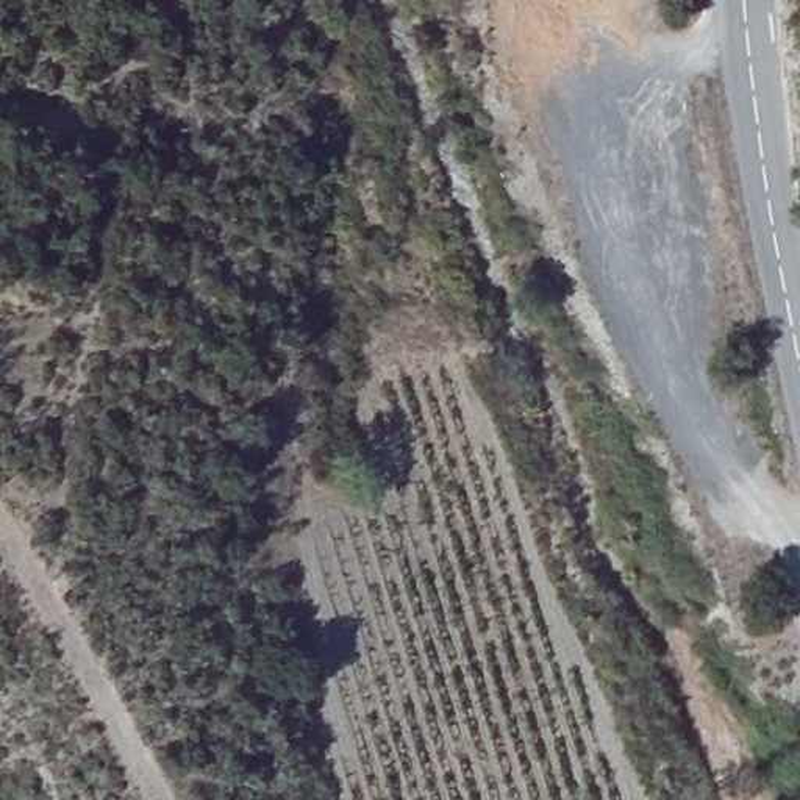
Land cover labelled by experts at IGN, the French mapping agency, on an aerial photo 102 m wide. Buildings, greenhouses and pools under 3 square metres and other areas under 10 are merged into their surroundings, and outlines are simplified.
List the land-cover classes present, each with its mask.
<instances>
[{"label":"brushwood","instance_id":"1","mask_svg":"<svg viewBox=\"0 0 800 800\"><path fill-rule=\"evenodd\" d=\"M338 56V41H328L309 22L306 0H0V291L22 281L28 288V297L34 303H44V316H63V325L50 334V341L38 344V356H50V363L44 366V381L53 388H66V378L56 372L59 366L75 369L81 334L72 328V322L78 313H88L91 306H100V313L106 316L113 344H122L125 338L172 341V347L131 350L122 359H113L100 350L78 403H59V413L47 422H19L16 406L22 400V384L9 381V369L25 356V347H13V328L0 331V500L6 503L13 519H22L34 528L31 544L38 547L44 566L56 569L59 575H69L66 603L81 609L84 634L91 638L94 653L106 656L109 675L116 678V688L141 738L156 753L178 800H341V781L334 775V763L328 759L334 734L322 716V706L325 681L356 659V631L363 619L334 616L322 622L316 616V603L306 597L303 588L297 541L300 531L309 528V519H294L291 509L300 500L303 475H316L319 481H325L331 475L334 456L363 453L366 466L375 469L378 484L388 491L409 484L413 441L403 413L388 409L375 413L372 422H359L356 413H334L331 403L341 375L338 366L328 359V334L338 325V319L334 294L325 284H319V256L338 253V238L331 225L341 188L331 184L325 175L347 169L353 122L338 97L322 94V78L328 75ZM328 9H344L347 16H356L359 22H372L378 28L384 56L391 63L394 91L400 97V106L409 113L413 125L425 116L406 59L394 47L391 22L397 9L384 6L381 0H325ZM469 381L488 406L497 434L509 453L522 506L528 509L544 569L613 706L616 734L650 800H703L684 784L669 781L666 775V759L675 756V744L681 738L669 725L675 713L653 669L669 663V650L650 653L638 628H631V647H625L613 631V609L619 606V600L616 594L597 588L594 578L584 575V569L575 563L569 538L572 516L553 500L578 481V453L569 444H553V403L538 406L534 384L525 375V363L513 359L500 344H491L488 353L475 356L466 366ZM22 588L0 569V800H141L138 784L128 781L125 766L119 763L109 744L106 725L88 706V697L78 688L75 672L63 663L59 631H50L41 622H28V613L19 600Z\"/></svg>","mask_w":800,"mask_h":800},{"label":"herbaceous vegetation","instance_id":"2","mask_svg":"<svg viewBox=\"0 0 800 800\"><path fill-rule=\"evenodd\" d=\"M384 6L397 9L391 22L394 47L406 59L425 116L413 125L409 113L400 106V97L394 91L391 63L384 56L378 28L372 22H359L356 16H347L344 9H328L325 0H306L309 22L328 41H338V56L328 75L322 78V94L338 97L353 122L347 169L325 175L331 184L341 188L331 225L338 238V253L319 256V284H325L334 294L338 319V325L328 334V359L338 366L341 375L331 403L334 413H356L359 391L372 372L363 350L369 344V328L384 319V313L400 306H419L422 316H441V322L450 325L453 344H500L513 359L525 363V375L534 384L538 406L553 403V444H569L578 453V481L553 500L572 516L569 538L575 563L584 569V575L594 578L597 588L616 594L619 600V606L613 609V631L625 647H631V628H638L650 653L669 650L666 634L672 628L691 634V647L700 656L703 672L709 675L716 694L731 706L734 719L744 725V738L753 756L713 769L706 744L700 741V731L688 709L681 675L669 663L653 669L675 713L669 725L681 738L675 744V756L666 759V775L669 781L684 784L703 800H800V616L772 634H747L744 628L741 584L750 581V575L763 563L772 559L775 550L744 538H725V531L709 516L700 488H694L691 481L688 463L675 466H672V469H663L659 463H656V459H653V456H650V453H644L641 447H638L641 441H644V438H653V434H656V413L644 416L638 397L631 394L619 400L609 391V372L600 353L591 347V338L566 306V300L572 297V278L556 259L547 256L541 241V219L522 216V206L506 191V184L516 178V166L506 156L503 138L491 134L494 116L484 109L488 78L481 66L494 59L491 44L497 34V0H381ZM691 119L678 131H672V141L678 150V188L684 194V222L703 228L713 225V241L703 250V284L709 297L706 341L713 344L728 338V331L738 322L769 319L753 263L741 175L731 153L725 81L713 72L691 75ZM719 403L725 416H741L747 422L744 434L750 447L756 450L759 463L769 466V478L778 488H784V450H797L794 438L781 431L788 425V409L781 394V375L772 363L759 378H747L722 394Z\"/></svg>","mask_w":800,"mask_h":800},{"label":"vineyard","instance_id":"3","mask_svg":"<svg viewBox=\"0 0 800 800\"><path fill-rule=\"evenodd\" d=\"M491 344H453L450 325L441 322V316H422L419 306H400L384 313V319L369 328V344L363 350L372 372L359 391L356 413L359 422H372L375 413L388 409L403 413L413 441L409 484L388 491L378 484L375 469L366 466L363 453L334 456L331 475L325 481H319L316 475H303L300 500L291 509L294 519H309V528L300 531L297 541L303 588L306 597L316 603V616L322 622L334 616L363 619L356 631V659L325 681L322 706V716L334 734L328 759L334 763V775L341 781V800H650L616 734L613 706L544 569L528 509L522 506L509 453L497 434L488 406L469 381L466 366L475 356L488 353Z\"/></svg>","mask_w":800,"mask_h":800},{"label":"impervious surface","instance_id":"4","mask_svg":"<svg viewBox=\"0 0 800 800\"><path fill-rule=\"evenodd\" d=\"M700 9V16L684 31L669 28L663 34H638L628 53L619 50L613 59L597 63L588 75H575L572 69H566L569 97H553L547 91L538 106L544 134L556 147L569 191V206L559 213V219H569L572 228L563 231V241L575 247V259L584 272L591 303L600 313L603 328L616 347V356L625 366L631 394L638 397L644 416L656 413V434L663 438V444H666V450H669V459H672L675 466L688 463L691 481L694 488H700L709 516L725 531V538H744L775 550L800 547V0H691ZM713 72L725 81L731 153L741 175L753 263L769 319L772 328L781 331V338L772 347V363L781 375V394L788 409V425L781 431L794 438L797 450H784V488H778L769 478V466L759 463L756 450L750 447L744 434L747 422L741 416H725L719 403L722 394L706 372L713 344L706 341L709 297L703 284V250L713 241V225L703 228L684 222V194L678 188V150L672 141V131H678L691 119V75Z\"/></svg>","mask_w":800,"mask_h":800},{"label":"bare soil","instance_id":"5","mask_svg":"<svg viewBox=\"0 0 800 800\"><path fill-rule=\"evenodd\" d=\"M497 34L491 44L494 59L481 66L488 78L484 109L494 116L491 134L503 138L506 156L516 166V178L506 184V191L522 206V216L541 219V241L547 256L556 259L572 278V297L566 300V306L591 338V347L600 353L609 372V391L619 400L631 394L625 366L616 356V347L603 328L600 313L591 303L584 272L575 259V247L563 241V231L572 228L569 219H559V213L569 206V191L556 147L544 134L538 106L547 91L553 97H569L566 69H572L575 75H588L597 63L613 59L619 50L628 53L638 34H663L669 28L659 16V0H497ZM44 303H34L28 297V288L22 281L0 291V331L13 328V347H25V356L9 369V381L22 384V400L16 406L19 422H47L59 413V403H78L100 350L113 359H122L131 350L172 347V341L125 338L122 344H113L106 316L100 313V306H91L88 313H78L72 322V328L81 334L75 369L59 366L56 372L66 378V388H53L44 381V366L50 363V356H38V344L50 341V334L63 325V316H44ZM638 447H641L644 453H650V456H653V459H656V463H659L663 469H672V466H675L672 459H669V450H666V444H663V438L656 434H653V438H644V441H641ZM669 650V663L681 675L688 709L700 731V741L706 744L713 769L753 756L744 738V725L734 719L731 706L716 694L709 675L703 672L700 656L691 647V634L672 628L666 634Z\"/></svg>","mask_w":800,"mask_h":800},{"label":"pervious surface","instance_id":"6","mask_svg":"<svg viewBox=\"0 0 800 800\"><path fill-rule=\"evenodd\" d=\"M34 528L22 519H13L6 503L0 500V569L22 588L19 600L28 613V622H41L50 631H59L63 663L75 672L78 688L88 697V706L106 725L109 744L119 763L125 766L128 781L138 784L141 800H178L156 753L141 738L116 688V678L109 675L106 656L94 653L91 638L84 634L81 609L66 603L69 575H59L56 569L44 566L38 547L31 544ZM775 569L788 572L791 584L784 597L800 613V547L775 550L772 559Z\"/></svg>","mask_w":800,"mask_h":800},{"label":"deciduous trees","instance_id":"7","mask_svg":"<svg viewBox=\"0 0 800 800\"><path fill-rule=\"evenodd\" d=\"M659 16L669 28L684 31L700 16V9L691 0H659ZM781 338V331L772 328L769 319L738 322L728 331V338L713 344L706 372L722 394L747 378H759L772 363V347ZM791 584L788 572L775 569L772 559L763 563L750 575V581L741 584L744 628L747 634H772L800 616V613L784 597Z\"/></svg>","mask_w":800,"mask_h":800}]
</instances>
